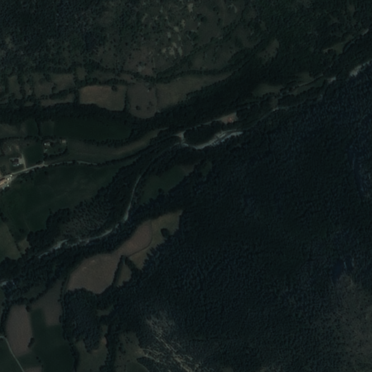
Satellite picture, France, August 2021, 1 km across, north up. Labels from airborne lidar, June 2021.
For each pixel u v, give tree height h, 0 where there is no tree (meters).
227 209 19
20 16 12
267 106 12
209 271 23
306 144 17
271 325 15
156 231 0
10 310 8
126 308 21
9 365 0
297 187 24
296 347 11
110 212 12
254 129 14
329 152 22
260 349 12
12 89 0
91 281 0
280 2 9
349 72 12
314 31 7
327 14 11
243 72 15
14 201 0
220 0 0
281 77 18
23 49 14
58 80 0
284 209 16
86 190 0
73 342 9
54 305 0
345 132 18
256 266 14
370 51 14
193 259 22
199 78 0
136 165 18
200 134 15
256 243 16
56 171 0
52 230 20
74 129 0
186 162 21
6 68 7
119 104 0
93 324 14
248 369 8
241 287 21
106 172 0
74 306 13
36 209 0
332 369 9
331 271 11
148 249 0
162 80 9
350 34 14
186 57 8
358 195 15
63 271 20
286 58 20
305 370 7
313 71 8
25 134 0
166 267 23
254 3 6
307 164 21
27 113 17
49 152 0
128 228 7
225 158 19
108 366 9
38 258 16
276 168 22
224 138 0
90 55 9
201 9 0
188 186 29
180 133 0
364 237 15
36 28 14
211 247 21
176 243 22
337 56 15
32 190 0
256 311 11
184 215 14
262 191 20
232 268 24
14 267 12
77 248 15
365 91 24
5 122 13
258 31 11
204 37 0
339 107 21
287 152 16
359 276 7
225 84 16
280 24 10
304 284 8
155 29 10
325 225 16
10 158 0
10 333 0
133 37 8
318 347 13
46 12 13
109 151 0
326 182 14
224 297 22
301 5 6
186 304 18
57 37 19
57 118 19
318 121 16
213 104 26
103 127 0
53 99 17
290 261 12
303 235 11
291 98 19
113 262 0
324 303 13
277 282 12
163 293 21
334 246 11
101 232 13
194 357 7
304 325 15
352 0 11
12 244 0
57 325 0
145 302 17
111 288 13
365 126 9
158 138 10
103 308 14
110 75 0
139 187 6
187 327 18
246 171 19
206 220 23
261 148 20
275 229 13
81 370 0
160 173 19
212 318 18
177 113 28
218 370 6
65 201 0
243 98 19
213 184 26
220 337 14
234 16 0
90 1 6
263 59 10
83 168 0
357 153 11
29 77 9
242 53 11
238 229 19
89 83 17
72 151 0
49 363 0
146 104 0
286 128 12
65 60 10
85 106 16
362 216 23
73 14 11
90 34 17
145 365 11
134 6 6
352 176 16
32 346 8
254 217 12
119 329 13
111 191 22
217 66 0
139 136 18
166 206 26
